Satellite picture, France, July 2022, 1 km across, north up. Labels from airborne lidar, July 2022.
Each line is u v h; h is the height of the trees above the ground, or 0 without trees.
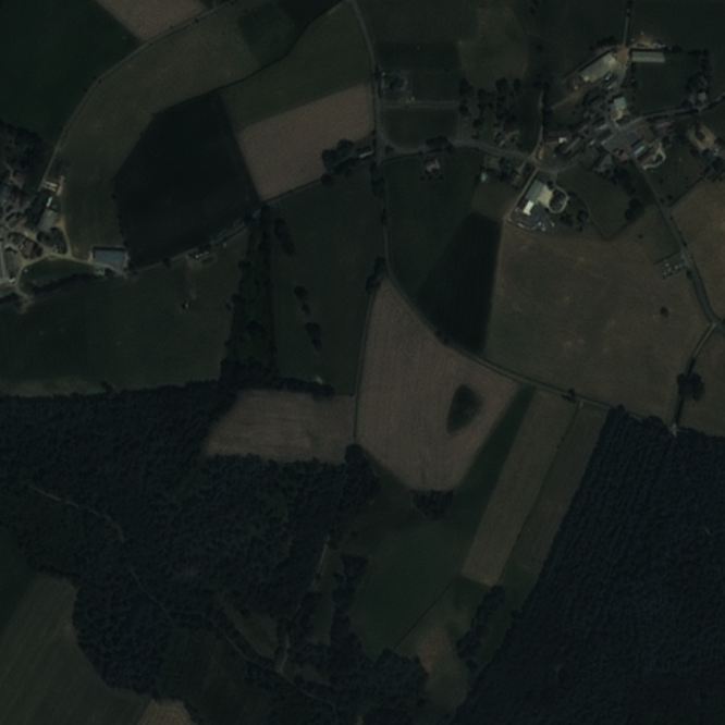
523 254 0
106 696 0
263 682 17
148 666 27
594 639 26
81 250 0
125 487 11
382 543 0
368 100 0
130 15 0
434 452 0
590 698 17
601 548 18
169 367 0
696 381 23
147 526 17
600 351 0
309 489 13
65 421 8
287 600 18
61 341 0
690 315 0
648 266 0
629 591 28
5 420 16
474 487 0
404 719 23
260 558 10
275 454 0
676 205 0
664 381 0
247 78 0
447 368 0
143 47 0
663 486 19
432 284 0
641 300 0
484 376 0
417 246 0
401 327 0
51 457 20
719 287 0
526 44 0
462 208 0
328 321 0
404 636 0
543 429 0
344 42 0
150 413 21
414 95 0
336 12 0
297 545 17
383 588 0
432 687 0
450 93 0
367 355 0
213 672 0
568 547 18
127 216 0
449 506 7
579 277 0
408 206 0
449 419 0
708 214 0
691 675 25
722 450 28
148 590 10
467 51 0
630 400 0
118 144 0
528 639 16
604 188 0
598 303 0
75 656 0
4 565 0
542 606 16
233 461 14
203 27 0
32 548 8
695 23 0
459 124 0
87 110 0
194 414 15
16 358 0
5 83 0
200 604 9
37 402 16
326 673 9
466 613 0
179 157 0
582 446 0
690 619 17
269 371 15
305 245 0
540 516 0
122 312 0
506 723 6
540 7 15
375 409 0
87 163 0
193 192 0
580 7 0
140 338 0
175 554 10
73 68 0
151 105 0
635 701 23
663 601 29
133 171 0
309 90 0
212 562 12
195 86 0
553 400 0
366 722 8
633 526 16
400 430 0
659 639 22
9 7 0
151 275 0
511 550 0
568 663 19
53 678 0
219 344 0
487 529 0
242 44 0
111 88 0
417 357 0
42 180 0
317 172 0
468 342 0
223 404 19
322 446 0
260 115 0
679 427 6
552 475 0
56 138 0
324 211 0
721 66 0
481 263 0
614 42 11
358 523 0
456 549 0
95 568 17
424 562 0
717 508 29
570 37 0
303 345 0
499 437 0
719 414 0
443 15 0
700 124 8
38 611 0
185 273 0
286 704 8
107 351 0
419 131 0
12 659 0
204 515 10
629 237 0
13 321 0
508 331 0
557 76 0
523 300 0
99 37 0
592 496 17
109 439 10
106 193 0
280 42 0
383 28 0
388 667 20
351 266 0
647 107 0
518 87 16
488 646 0
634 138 0
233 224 0
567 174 0
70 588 0
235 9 0
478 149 8
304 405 0
